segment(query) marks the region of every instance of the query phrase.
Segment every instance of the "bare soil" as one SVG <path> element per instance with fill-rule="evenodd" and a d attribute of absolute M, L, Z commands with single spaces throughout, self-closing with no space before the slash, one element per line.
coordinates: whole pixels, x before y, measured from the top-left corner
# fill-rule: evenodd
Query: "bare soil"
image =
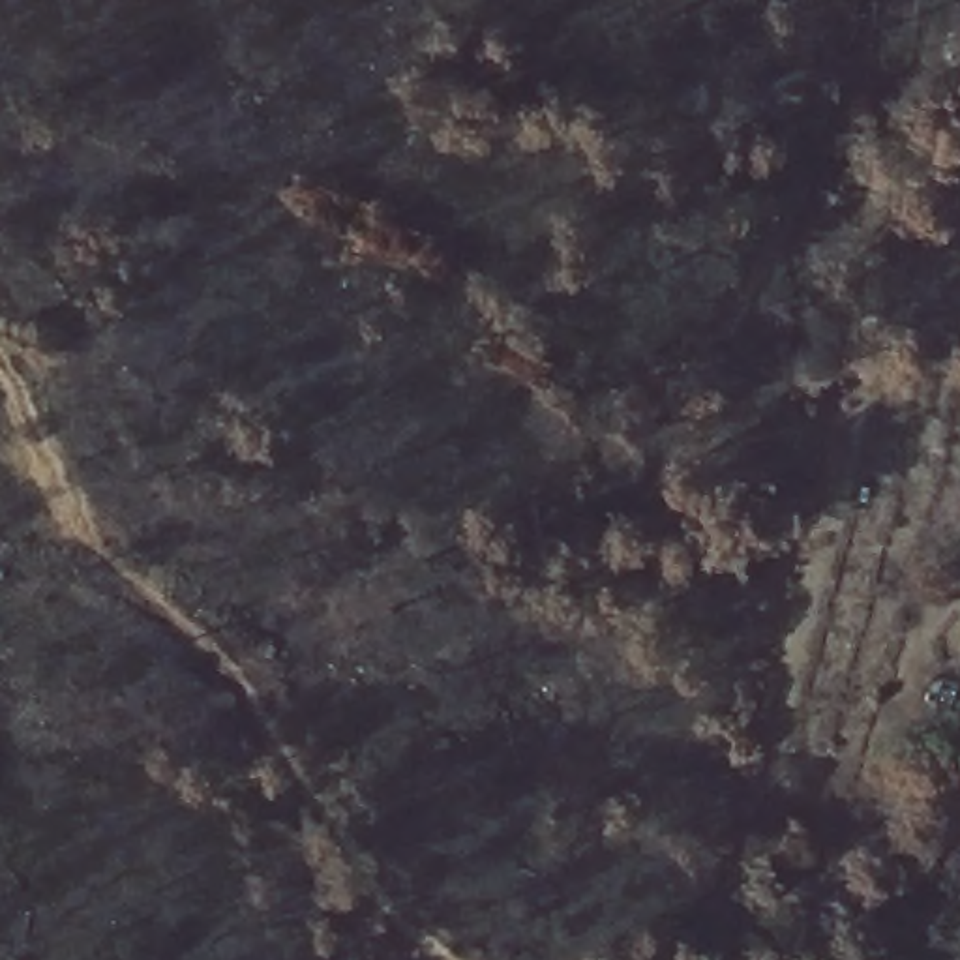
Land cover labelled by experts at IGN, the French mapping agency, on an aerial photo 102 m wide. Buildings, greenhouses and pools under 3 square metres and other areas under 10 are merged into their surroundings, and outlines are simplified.
<path fill-rule="evenodd" d="M 758 41 L 743 56 L 758 101 L 765 101 L 780 116 L 780 131 L 788 139 L 795 139 L 803 124 L 814 116 L 833 64 L 866 68 L 870 49 L 881 38 L 941 38 L 945 19 L 960 11 L 960 0 L 829 0 L 829 8 L 810 26 L 795 26 L 795 34 L 784 41 Z"/>
<path fill-rule="evenodd" d="M 638 26 L 641 0 L 495 0 L 506 19 L 521 19 L 533 30 L 533 41 L 540 41 L 555 64 L 593 64 L 593 56 L 604 45 Z"/>
<path fill-rule="evenodd" d="M 38 409 L 34 420 L 11 424 L 0 390 L 0 960 L 229 960 L 229 949 L 236 945 L 278 941 L 278 926 L 259 908 L 266 900 L 266 885 L 263 878 L 244 878 L 244 896 L 236 896 L 240 874 L 225 848 L 229 818 L 221 814 L 229 810 L 229 799 L 218 795 L 214 810 L 203 810 L 199 803 L 188 806 L 173 788 L 146 776 L 146 754 L 165 750 L 169 765 L 176 765 L 180 773 L 195 773 L 214 750 L 233 746 L 236 735 L 274 743 L 259 769 L 274 769 L 278 791 L 300 784 L 304 795 L 319 803 L 315 814 L 308 806 L 300 810 L 300 829 L 323 821 L 323 836 L 341 851 L 341 863 L 349 866 L 349 893 L 375 904 L 371 926 L 356 926 L 349 934 L 349 941 L 360 949 L 360 960 L 566 960 L 600 915 L 634 904 L 645 878 L 634 851 L 611 848 L 604 840 L 604 780 L 619 773 L 649 773 L 664 776 L 671 788 L 705 795 L 705 810 L 694 836 L 720 859 L 806 859 L 810 851 L 840 836 L 844 821 L 851 818 L 863 795 L 874 795 L 866 776 L 881 731 L 889 724 L 908 720 L 911 701 L 941 690 L 941 671 L 960 668 L 960 244 L 926 244 L 915 236 L 911 248 L 896 240 L 878 244 L 863 285 L 863 319 L 848 334 L 829 334 L 825 345 L 806 345 L 795 360 L 795 371 L 773 364 L 769 371 L 731 371 L 731 394 L 724 398 L 720 413 L 713 413 L 720 424 L 720 443 L 731 446 L 739 458 L 769 458 L 784 473 L 791 473 L 799 491 L 806 495 L 803 521 L 784 536 L 773 536 L 765 555 L 746 559 L 746 581 L 701 570 L 679 581 L 690 593 L 690 604 L 701 608 L 701 630 L 709 634 L 709 649 L 716 656 L 716 671 L 701 686 L 701 694 L 679 698 L 671 686 L 656 683 L 634 686 L 619 675 L 604 649 L 578 649 L 563 634 L 529 630 L 503 611 L 476 611 L 465 581 L 454 578 L 450 518 L 458 518 L 461 495 L 473 488 L 495 488 L 510 499 L 563 491 L 570 450 L 563 439 L 555 439 L 559 394 L 551 386 L 570 371 L 578 371 L 585 383 L 596 383 L 630 371 L 649 345 L 671 341 L 679 349 L 705 353 L 750 330 L 761 330 L 761 274 L 746 266 L 735 251 L 713 251 L 705 240 L 675 240 L 664 255 L 645 255 L 638 244 L 619 240 L 600 255 L 600 274 L 593 281 L 574 285 L 574 293 L 555 293 L 551 229 L 540 225 L 540 206 L 551 199 L 551 184 L 544 180 L 544 169 L 529 158 L 533 150 L 518 143 L 499 161 L 484 161 L 480 154 L 443 154 L 431 139 L 424 139 L 424 131 L 405 116 L 401 101 L 390 94 L 390 75 L 405 53 L 405 41 L 420 26 L 416 0 L 0 0 L 0 341 L 8 345 L 11 371 L 26 383 Z M 195 641 L 184 630 L 176 630 L 143 593 L 120 581 L 120 574 L 101 555 L 94 555 L 86 544 L 71 536 L 60 536 L 60 525 L 41 488 L 8 465 L 8 446 L 26 439 L 56 439 L 68 480 L 86 491 L 105 548 L 131 559 L 135 570 L 158 578 L 161 589 L 210 638 L 218 638 L 233 660 L 244 664 L 259 698 L 248 698 L 236 686 L 236 679 L 218 668 L 210 653 L 195 649 Z"/>

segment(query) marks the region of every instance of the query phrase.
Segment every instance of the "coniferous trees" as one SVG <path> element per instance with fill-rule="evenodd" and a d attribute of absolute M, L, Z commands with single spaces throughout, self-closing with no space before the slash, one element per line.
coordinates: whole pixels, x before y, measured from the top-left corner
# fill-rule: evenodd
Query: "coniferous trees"
<path fill-rule="evenodd" d="M 600 915 L 566 960 L 960 960 L 960 668 L 941 671 L 941 690 L 911 701 L 908 720 L 889 724 L 881 731 L 866 776 L 874 795 L 863 795 L 851 818 L 844 821 L 840 836 L 810 851 L 806 859 L 720 859 L 694 836 L 705 810 L 705 795 L 671 788 L 664 776 L 649 773 L 619 773 L 604 780 L 604 840 L 611 848 L 634 851 L 645 878 L 634 904 Z"/>
<path fill-rule="evenodd" d="M 896 240 L 911 248 L 915 236 L 926 244 L 960 244 L 960 11 L 945 19 L 941 38 L 881 38 L 870 49 L 866 68 L 833 64 L 814 116 L 803 124 L 795 139 L 788 139 L 780 131 L 780 116 L 765 101 L 758 101 L 743 56 L 758 41 L 784 41 L 795 34 L 795 26 L 810 26 L 829 8 L 829 0 L 641 0 L 638 26 L 604 45 L 593 56 L 593 64 L 555 64 L 540 41 L 533 41 L 533 30 L 521 19 L 506 19 L 495 0 L 416 0 L 420 26 L 405 41 L 405 53 L 390 75 L 390 94 L 401 101 L 405 116 L 424 131 L 424 139 L 431 139 L 443 154 L 480 154 L 484 161 L 499 161 L 518 143 L 533 150 L 529 158 L 544 169 L 544 180 L 551 184 L 551 199 L 540 206 L 540 225 L 551 229 L 555 293 L 574 293 L 574 285 L 593 281 L 600 274 L 600 255 L 619 240 L 638 244 L 645 255 L 664 255 L 675 240 L 705 240 L 713 251 L 735 251 L 746 266 L 761 274 L 761 330 L 750 330 L 705 353 L 679 349 L 671 341 L 649 345 L 630 371 L 596 383 L 585 383 L 578 371 L 570 371 L 551 386 L 559 394 L 555 439 L 563 439 L 570 450 L 563 491 L 510 499 L 495 488 L 473 488 L 461 495 L 458 518 L 450 518 L 454 578 L 465 581 L 476 611 L 503 611 L 529 630 L 563 634 L 578 649 L 604 649 L 619 675 L 634 686 L 656 683 L 671 686 L 679 698 L 701 694 L 701 686 L 716 671 L 716 656 L 709 649 L 709 634 L 701 630 L 701 608 L 690 604 L 690 593 L 679 581 L 701 570 L 746 581 L 746 559 L 765 555 L 773 536 L 784 536 L 803 521 L 806 495 L 799 491 L 791 473 L 784 473 L 769 458 L 739 458 L 731 446 L 720 443 L 720 424 L 713 413 L 720 413 L 724 398 L 731 394 L 731 371 L 769 371 L 773 364 L 795 371 L 795 360 L 806 345 L 825 345 L 829 334 L 848 334 L 863 319 L 863 285 L 878 244 Z"/>
<path fill-rule="evenodd" d="M 349 866 L 341 863 L 341 851 L 323 836 L 323 821 L 300 829 L 300 810 L 308 806 L 315 814 L 319 803 L 304 795 L 300 784 L 278 791 L 274 769 L 259 769 L 274 743 L 236 735 L 233 746 L 214 750 L 195 773 L 180 773 L 176 765 L 169 765 L 165 750 L 146 754 L 146 776 L 173 788 L 188 806 L 199 803 L 203 810 L 214 810 L 218 795 L 229 799 L 229 810 L 221 814 L 229 818 L 225 848 L 240 874 L 236 896 L 244 896 L 244 878 L 263 878 L 266 885 L 266 900 L 259 908 L 278 926 L 278 941 L 236 945 L 229 949 L 229 960 L 360 960 L 360 949 L 349 941 L 349 934 L 356 926 L 371 926 L 375 904 L 349 893 Z"/>

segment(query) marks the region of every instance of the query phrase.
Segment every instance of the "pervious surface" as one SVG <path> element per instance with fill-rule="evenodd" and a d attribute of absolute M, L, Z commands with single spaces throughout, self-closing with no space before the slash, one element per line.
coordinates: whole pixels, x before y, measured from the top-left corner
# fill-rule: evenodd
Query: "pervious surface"
<path fill-rule="evenodd" d="M 26 383 L 11 371 L 8 345 L 0 341 L 0 390 L 11 424 L 34 420 L 38 409 Z"/>
<path fill-rule="evenodd" d="M 236 686 L 248 698 L 259 698 L 244 664 L 233 660 L 218 638 L 210 638 L 161 589 L 158 578 L 135 570 L 131 559 L 105 548 L 86 491 L 68 480 L 56 439 L 26 439 L 8 446 L 8 465 L 41 488 L 60 525 L 60 536 L 71 536 L 86 544 L 94 555 L 101 555 L 120 574 L 120 581 L 143 593 L 176 630 L 184 630 L 195 641 L 195 649 L 210 653 L 218 668 L 236 679 Z"/>

